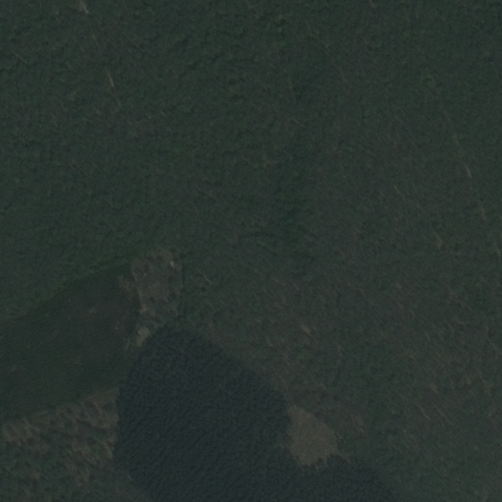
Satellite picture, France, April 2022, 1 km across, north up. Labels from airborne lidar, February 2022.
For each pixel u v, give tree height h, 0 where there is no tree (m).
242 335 30
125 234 27
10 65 27
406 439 28
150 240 27
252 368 23
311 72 25
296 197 27
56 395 8
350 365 29
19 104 23
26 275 29
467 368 26
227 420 30
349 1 27
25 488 30
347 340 29
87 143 21
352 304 28
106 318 6
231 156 26
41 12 22
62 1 27
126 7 28
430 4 28
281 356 25
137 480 25
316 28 31
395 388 28
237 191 31
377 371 20
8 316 30
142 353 8
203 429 24
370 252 30
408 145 24
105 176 30
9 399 9
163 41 30
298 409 19
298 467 23
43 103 27
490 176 27
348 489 25
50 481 27
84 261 24
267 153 26
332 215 29
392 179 25
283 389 24
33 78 26
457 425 27
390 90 26
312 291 29
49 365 6
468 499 20
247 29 29
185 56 27
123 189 26
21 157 25
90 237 29
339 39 26
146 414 28
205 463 26
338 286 26
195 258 26
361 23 24
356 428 26
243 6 30
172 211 30
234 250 27
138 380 31
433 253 27
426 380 27
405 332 28
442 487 26
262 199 23
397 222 26
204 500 20
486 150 25
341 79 27
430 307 27
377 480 25
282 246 31
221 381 28
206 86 28
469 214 24
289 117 30
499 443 31
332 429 25
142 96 29
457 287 27
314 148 13
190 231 26
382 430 26
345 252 26
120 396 0
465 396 27
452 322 28
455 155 27
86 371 6
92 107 28
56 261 28
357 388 30
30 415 6
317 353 27
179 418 24
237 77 29
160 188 28
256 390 29
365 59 26
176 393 26
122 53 23
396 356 27
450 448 28
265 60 30
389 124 25
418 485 17
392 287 29
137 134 28
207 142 29
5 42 23
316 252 29
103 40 26
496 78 30
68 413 0
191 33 27
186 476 25
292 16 27
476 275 27
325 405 25
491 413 26
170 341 29
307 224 25
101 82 25
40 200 29
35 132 28
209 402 26
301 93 22
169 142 31
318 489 22
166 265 28
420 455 25
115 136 28
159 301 0
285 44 31
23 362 7
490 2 28
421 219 27
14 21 25
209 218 26
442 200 25
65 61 28
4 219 29
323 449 0
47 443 28
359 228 27
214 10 26
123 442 29
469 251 26
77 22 25
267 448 29
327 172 29
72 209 28
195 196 28
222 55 9
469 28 28
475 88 28
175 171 27
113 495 27
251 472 17
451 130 28
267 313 27
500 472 27
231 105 25
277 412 27
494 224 23
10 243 29
